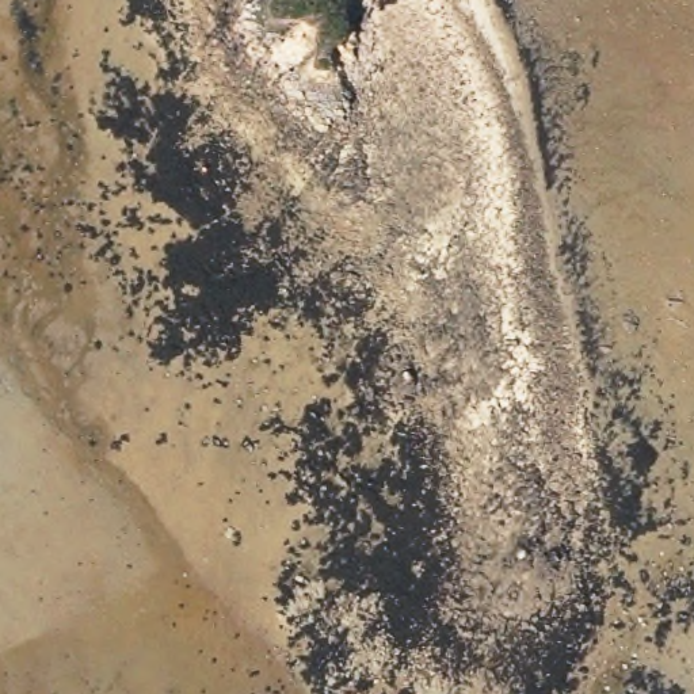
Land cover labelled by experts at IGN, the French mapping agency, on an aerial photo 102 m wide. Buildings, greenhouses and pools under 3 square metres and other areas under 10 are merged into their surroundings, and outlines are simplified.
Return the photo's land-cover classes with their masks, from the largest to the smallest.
<instances>
[{"label":"bare soil","instance_id":"1","mask_svg":"<svg viewBox=\"0 0 694 694\"><path fill-rule=\"evenodd\" d=\"M165 5V19L138 16L133 24H122V16L127 14V0H0V694H312V686L304 680L309 637L290 648L287 637L295 629L287 624V618L312 610L317 599L325 594L320 569L331 564V526L306 523L304 529L293 531V521L312 515L314 504H287V493L295 483L268 480V472L295 469V461L301 458V436L260 431V423L268 417L298 423L304 417V409L320 399H328L339 409L352 404V390L344 382L323 385V377L333 374L339 363H355L361 336H369L374 328L388 333V347L380 355L374 371L377 382L385 390V399L380 404L388 415L385 431L366 436L358 455H339L336 464L347 469L380 466L382 461H393L390 474L409 477V461H404L399 447L393 445L396 423H412L426 417L436 426L439 436L445 439V450L450 453L453 472L450 483L439 488V504L464 526L461 534L453 539V548L464 564L466 599L472 602V607H488L491 613L518 618H529L534 613L545 615L550 607V594L569 596V591L577 588V567L567 558L569 550L580 548L583 542L586 507L591 502V493L599 485H607L599 477V464L594 453L596 447L610 450L613 464L621 469V488L626 496L634 491V485H640V502L651 504L656 510V518H670V526H659L634 539V564L615 556V567L634 586V607L621 605L624 591L618 586L605 588V621L596 637L583 642L586 659L575 661L569 670V680H575L577 689L558 694H624V683L637 667L661 672V683L667 689L680 686L683 694H694V624L689 626V632H683V624L672 626L664 645L656 648L659 624L648 610L651 594L640 580V572L648 569L651 577H678L680 572H694V0H363L366 19L361 24V33H350L342 43L339 38H328L323 30L317 33V27L306 19L274 16V0H160ZM174 52L176 57H190L195 62V81H163L157 76L160 68H168L165 57ZM163 92L195 95L201 100L187 119L184 149L206 144L214 133L220 138L222 155L228 157V165L217 160V171H225L230 165L239 171V176L233 179H217V187L222 192H230L236 201L222 203L220 217H209L195 228L168 203L155 201L149 192H136L130 163L138 160L146 168V174H155L157 165L149 157V152L157 146V127L146 133L144 144L136 138L122 141L111 130L98 127L100 114L117 117L122 108L130 106V98L136 95L144 108L155 111V95ZM225 222H244V230L258 233V244H249L241 252L244 268H249L252 260L266 263L279 279V295H287L290 287H295L298 282H312L317 274L328 277L333 285H344L347 290H352V295L344 301L328 298L323 304V317L312 323L304 317V301H295L293 309L274 306L268 312H260L252 320V333L241 336V352L236 361H228L225 350L195 347L182 350L171 363H160L157 358H152L149 347L160 336L157 317L174 309V290L165 287V244L203 236ZM632 442H648L656 450L651 472H637L632 466ZM328 624H339L347 629L350 659L328 661V694H510L504 686L483 691L485 678L480 670L464 672L461 683L445 680L436 672V664L431 661L428 648H390V618L382 610L377 594H344L328 613Z\"/></svg>","mask_w":694,"mask_h":694},{"label":"herbaceous vegetation","instance_id":"2","mask_svg":"<svg viewBox=\"0 0 694 694\"><path fill-rule=\"evenodd\" d=\"M138 16L165 19V5L160 0H127V14L122 16V24H133ZM168 68H160L157 76L163 81H195V62L190 57H176L174 52L165 57ZM201 100L195 95L163 92L155 95V111L144 108L136 95L130 98V106L122 108L117 117L100 114L98 127L111 130L122 141L136 138L144 144L146 133L157 127V146L149 152V157L157 165L155 174H146V168L138 160L130 163L136 192H149L155 201L168 203L195 228L209 217H220L222 203L236 201L230 192H222L217 187V179H233L239 176V171L230 165L225 171H217V160L228 165V157L222 155L220 138L214 133L206 144L184 149L187 119ZM249 244H258V233L244 230V222H225L203 236L165 244V287L174 290V309L157 317L160 336L149 347L152 358H157L160 363H171L182 350L195 347L225 350L228 361H236L241 352V336L252 333V320L260 312H268L274 306L293 309L295 301H304V317L312 323L323 317V304L328 298L344 301L352 295V290H347L344 285H333L328 277L317 274L312 282H298L295 287H290L287 295H279V279L266 263L252 260L249 268H244L241 252ZM388 347V333L374 328L369 336H361L355 363H339L333 374L323 377V385L344 382L352 390V404L339 409L328 399H320L304 409V417L298 423L268 417L260 423V431L301 436V458L295 461V469L268 472V480L295 483L287 493V504H314L312 515L293 521V531L304 529L306 523L331 526V564L320 569L325 594L317 599L312 610L287 618V624L295 629L287 637L290 648L309 637L304 680L312 686V694H328V661L350 659L347 629L339 624H328V613L344 594H377L382 610L390 618V648H428L431 661L436 664V672L445 680L461 683L464 672L480 670L485 678L483 691L504 686L510 694H558L577 689L575 680H569V670L575 661L586 659L583 642L596 637L605 621V588L618 586L624 591L621 605L634 607V586L615 567V556L634 564V539L659 526H670V518H656V510L651 504L640 502V485H634V491L626 496L621 488V469L613 464L610 450L596 447L594 453L599 464V477L607 485H599L591 493V502L586 507L583 542L580 548L569 550L567 558L577 567V588L569 591V596L550 594V607L545 615L534 613L529 618H518L491 613L488 607H472V602L466 599L464 564L453 548V539L461 534L464 526L439 504V488L450 483L453 472L450 453L445 450V439L439 436L436 426L426 417L412 423H396L393 445L399 447L404 461H409V477L390 474L393 461H382L380 466L347 469L336 464L339 455H358L366 436L385 431L388 415L380 404L385 399V390L377 382L374 371L380 355ZM632 466L637 472H651L656 450L648 442H632ZM640 580L651 594L648 610L659 624L656 648L664 645L672 626L683 624V632H689V626L694 624V572H680L678 577H651L648 569L640 572ZM624 694H683L680 686L667 689L661 683V672L637 667L624 683Z\"/></svg>","mask_w":694,"mask_h":694},{"label":"brushwood","instance_id":"3","mask_svg":"<svg viewBox=\"0 0 694 694\"><path fill-rule=\"evenodd\" d=\"M274 16L306 19L317 27V33L323 30L328 38H339L342 43L350 33H361V24L366 19L363 0H274Z\"/></svg>","mask_w":694,"mask_h":694}]
</instances>
